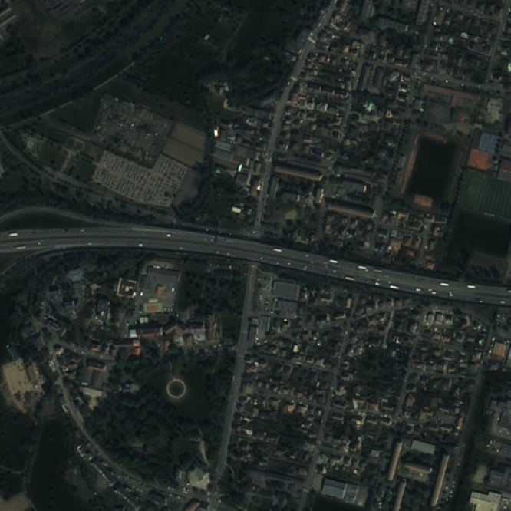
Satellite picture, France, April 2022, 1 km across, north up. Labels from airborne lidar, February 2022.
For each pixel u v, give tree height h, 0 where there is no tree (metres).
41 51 0
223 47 10
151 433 23
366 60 0
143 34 12
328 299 0
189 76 0
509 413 0
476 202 0
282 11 11
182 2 0
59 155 0
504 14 0
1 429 6
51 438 7
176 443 14
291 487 6
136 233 0
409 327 0
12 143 9
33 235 0
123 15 0
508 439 0
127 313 8
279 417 9
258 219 0
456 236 0
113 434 0
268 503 0
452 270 0
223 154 0
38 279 16
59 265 18
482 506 0
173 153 0
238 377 0
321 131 0
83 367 7
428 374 0
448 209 12
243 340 0
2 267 0
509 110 0
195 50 0
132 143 0
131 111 0
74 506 0
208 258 10
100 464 0
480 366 0
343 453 0
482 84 0
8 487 0
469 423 0
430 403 0
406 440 0
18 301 9
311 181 9
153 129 0
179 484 16
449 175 0
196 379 0
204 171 30
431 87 0
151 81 9
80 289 0
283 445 7
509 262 0
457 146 0
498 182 0
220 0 0
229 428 0
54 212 0
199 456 11
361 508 0
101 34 8
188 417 0
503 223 0
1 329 0
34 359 11
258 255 0
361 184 0
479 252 0
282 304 0
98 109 0
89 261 31
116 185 0
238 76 18
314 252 7
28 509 0
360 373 0
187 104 6
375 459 0
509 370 0
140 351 0
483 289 0
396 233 0
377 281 0
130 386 0
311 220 6
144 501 0
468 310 0
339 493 0
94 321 0
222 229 0
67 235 0
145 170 0
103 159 0
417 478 0
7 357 0
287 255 0
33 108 0
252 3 0
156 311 0
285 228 0
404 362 9
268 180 0
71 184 6
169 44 16
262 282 0
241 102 16
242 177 0
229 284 11
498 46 0
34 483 0
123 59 0
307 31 0
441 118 0
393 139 6
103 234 0
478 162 0
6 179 12
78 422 0
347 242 0
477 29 0
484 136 0
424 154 0
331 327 0
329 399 0
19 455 0
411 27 15
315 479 0
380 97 7
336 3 0
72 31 0
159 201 0
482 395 0
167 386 0
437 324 0
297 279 13
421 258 0
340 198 0
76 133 0
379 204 0
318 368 0
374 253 0
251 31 0
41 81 31
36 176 9
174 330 0
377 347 6
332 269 0
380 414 0
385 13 0
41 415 14
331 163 0
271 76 15
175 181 0
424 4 0
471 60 15
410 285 0
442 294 0
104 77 0
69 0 0
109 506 0
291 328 0
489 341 0
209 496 0
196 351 13
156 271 0
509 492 0
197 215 0
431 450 0
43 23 0
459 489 0
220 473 0
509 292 0
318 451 0
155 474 20
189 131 0
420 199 0
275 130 0
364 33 0
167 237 0
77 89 0
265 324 0
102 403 19
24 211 0
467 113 0
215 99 0
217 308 13
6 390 0
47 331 12
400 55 0
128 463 21
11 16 0
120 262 22
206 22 0
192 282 14
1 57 0
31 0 0
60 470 0
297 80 0
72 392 0
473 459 0
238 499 20
